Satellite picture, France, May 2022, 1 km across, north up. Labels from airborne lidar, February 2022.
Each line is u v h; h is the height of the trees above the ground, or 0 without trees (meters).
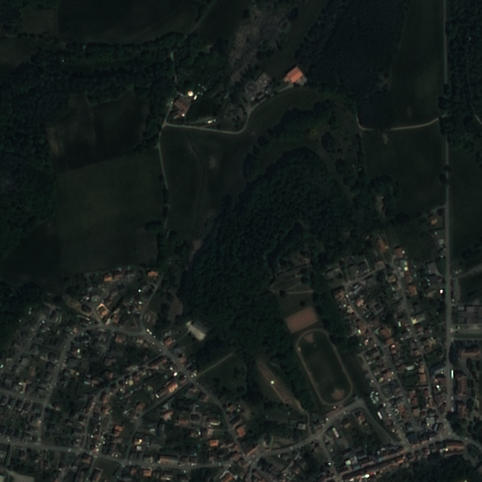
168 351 0
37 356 0
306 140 0
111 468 0
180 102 0
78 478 0
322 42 11
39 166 21
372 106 17
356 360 0
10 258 0
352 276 0
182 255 10
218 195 0
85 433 0
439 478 24
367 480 0
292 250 16
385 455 0
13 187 21
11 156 32
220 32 0
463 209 0
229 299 20
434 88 0
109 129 0
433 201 0
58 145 0
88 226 0
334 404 0
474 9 22
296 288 0
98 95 20
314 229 28
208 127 0
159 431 0
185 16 0
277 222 24
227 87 6
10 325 22
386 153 0
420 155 0
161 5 0
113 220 0
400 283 0
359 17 14
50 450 0
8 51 0
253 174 21
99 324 0
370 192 16
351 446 0
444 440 0
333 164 0
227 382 0
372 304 0
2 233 28
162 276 0
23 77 17
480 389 0
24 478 0
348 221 31
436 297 0
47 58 17
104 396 0
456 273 0
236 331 25
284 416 0
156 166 0
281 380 0
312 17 0
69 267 0
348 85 16
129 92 0
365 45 20
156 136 11
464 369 0
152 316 0
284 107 0
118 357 0
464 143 13
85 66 0
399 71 0
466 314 0
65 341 0
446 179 20
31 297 22
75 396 0
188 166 0
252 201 23
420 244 0
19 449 0
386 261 0
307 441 0
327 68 18
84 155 0
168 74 9
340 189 23
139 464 0
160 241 17
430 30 0
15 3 25
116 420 0
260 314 25
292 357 18
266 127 0
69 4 0
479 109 27
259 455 0
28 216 0
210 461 0
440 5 0
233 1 0
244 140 0
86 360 0
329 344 0
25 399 0
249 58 0
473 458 13
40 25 0
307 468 0
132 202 0
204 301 22
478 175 0
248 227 19
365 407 0
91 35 0
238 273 14
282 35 7
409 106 0
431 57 0
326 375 0
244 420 0
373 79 17
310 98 0
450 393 0
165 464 0
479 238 0
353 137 0
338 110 0
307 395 16
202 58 18
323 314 23
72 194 0
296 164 27
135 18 0
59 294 0
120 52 22
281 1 10
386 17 18
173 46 14
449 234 0
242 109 7
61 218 0
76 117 0
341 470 0
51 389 0
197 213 0
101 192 0
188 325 0
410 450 0
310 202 26
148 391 0
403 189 0
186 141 0
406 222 21
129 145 0
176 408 6
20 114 23
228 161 0
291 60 0
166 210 10
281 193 32
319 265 24
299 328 0
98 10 0
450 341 0
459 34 19
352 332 0
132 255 0
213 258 24
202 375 0
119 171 0
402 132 0
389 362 0
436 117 0
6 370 0
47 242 0
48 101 23
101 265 0
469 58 25
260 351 0
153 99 17
